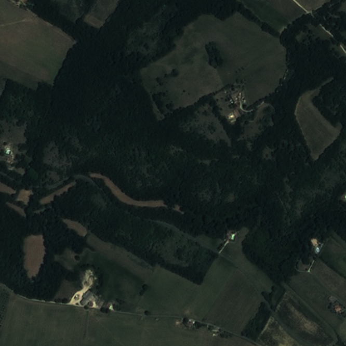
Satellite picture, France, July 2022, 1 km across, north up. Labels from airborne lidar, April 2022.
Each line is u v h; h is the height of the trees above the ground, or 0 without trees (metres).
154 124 17
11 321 0
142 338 0
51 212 26
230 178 10
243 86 6
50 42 0
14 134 0
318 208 16
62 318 0
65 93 14
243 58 0
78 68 17
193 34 0
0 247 22
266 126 10
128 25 10
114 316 0
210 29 0
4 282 13
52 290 17
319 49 21
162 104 13
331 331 0
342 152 9
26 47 0
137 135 15
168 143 11
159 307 0
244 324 0
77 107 15
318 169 10
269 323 0
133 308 0
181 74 0
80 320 0
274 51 0
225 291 0
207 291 0
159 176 10
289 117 15
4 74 0
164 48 8
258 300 0
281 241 13
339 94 12
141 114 15
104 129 13
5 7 0
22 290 17
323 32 0
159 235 10
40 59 0
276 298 0
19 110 11
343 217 25
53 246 26
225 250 0
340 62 13
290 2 0
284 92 11
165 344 0
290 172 11
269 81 0
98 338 0
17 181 12
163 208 12
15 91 13
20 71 0
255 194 17
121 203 19
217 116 10
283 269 14
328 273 0
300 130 11
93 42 17
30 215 19
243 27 0
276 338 0
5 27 0
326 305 0
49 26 0
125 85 14
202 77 0
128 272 0
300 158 13
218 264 0
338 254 0
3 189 0
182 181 13
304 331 0
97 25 0
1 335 0
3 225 19
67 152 11
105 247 0
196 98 0
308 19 16
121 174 11
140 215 18
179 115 18
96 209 8
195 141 11
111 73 20
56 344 0
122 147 14
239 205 10
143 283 0
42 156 8
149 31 0
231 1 18
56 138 12
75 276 10
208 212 12
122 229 8
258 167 10
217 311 0
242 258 0
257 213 19
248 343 0
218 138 0
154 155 15
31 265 0
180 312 0
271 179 19
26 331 0
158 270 0
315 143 0
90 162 10
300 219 10
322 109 12
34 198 23
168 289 0
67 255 0
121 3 15
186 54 0
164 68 0
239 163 13
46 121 11
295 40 10
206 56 0
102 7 0
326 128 0
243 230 0
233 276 0
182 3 15
